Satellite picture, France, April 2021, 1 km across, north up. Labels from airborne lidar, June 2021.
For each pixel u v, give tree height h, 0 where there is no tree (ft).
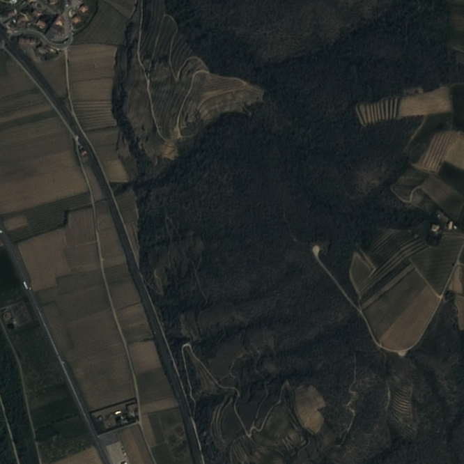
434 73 45
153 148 0
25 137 0
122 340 0
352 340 20
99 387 0
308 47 30
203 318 0
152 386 0
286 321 20
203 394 21
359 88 37
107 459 0
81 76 0
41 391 0
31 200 0
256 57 34
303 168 27
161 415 0
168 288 30
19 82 0
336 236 27
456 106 0
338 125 24
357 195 19
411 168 0
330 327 26
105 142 0
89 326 0
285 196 23
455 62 47
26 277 0
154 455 0
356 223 68
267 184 24
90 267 0
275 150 31
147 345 0
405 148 31
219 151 34
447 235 0
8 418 53
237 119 50
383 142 20
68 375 0
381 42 44
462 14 0
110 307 0
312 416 0
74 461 0
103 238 0
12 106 0
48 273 0
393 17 31
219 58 43
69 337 0
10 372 35
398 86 31
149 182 22
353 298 23
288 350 19
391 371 0
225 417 0
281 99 38
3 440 42
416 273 0
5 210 0
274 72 22
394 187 0
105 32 0
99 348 0
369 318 0
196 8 48
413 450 25
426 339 0
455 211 0
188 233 0
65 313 0
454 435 18
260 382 24
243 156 19
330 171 25
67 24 0
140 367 0
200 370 0
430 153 0
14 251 0
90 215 0
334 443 0
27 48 0
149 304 0
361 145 22
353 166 23
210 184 17
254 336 0
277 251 18
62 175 0
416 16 30
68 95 0
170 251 0
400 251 0
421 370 21
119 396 0
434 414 35
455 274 0
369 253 0
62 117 0
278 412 0
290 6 18
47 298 0
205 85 0
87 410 0
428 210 0
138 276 0
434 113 0
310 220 35
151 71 0
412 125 22
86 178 0
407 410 0
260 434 0
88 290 0
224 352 0
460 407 21
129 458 0
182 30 63
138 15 0
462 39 0
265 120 26
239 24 26
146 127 0
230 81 0
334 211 77
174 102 0
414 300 0
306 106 27
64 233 0
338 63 36
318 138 30
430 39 17
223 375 0
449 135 0
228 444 0
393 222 37
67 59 0
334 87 27
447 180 0
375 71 46
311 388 0
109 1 0
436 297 0
